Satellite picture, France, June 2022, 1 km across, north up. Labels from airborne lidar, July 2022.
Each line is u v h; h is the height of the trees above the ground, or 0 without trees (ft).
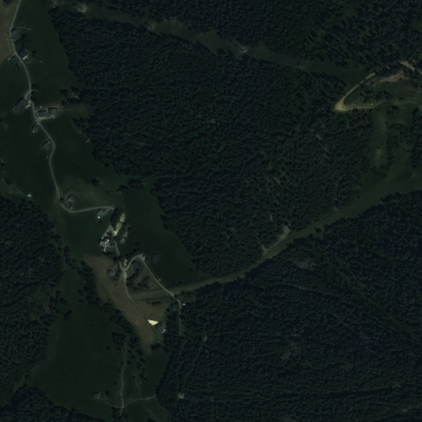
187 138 40
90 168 0
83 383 0
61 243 60
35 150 0
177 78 63
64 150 0
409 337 44
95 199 0
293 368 52
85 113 0
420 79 71
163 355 0
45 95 0
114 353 0
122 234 0
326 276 48
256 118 57
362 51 116
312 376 86
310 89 103
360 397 89
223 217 49
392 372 75
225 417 84
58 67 0
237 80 69
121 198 0
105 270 0
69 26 79
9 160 0
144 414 0
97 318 0
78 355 0
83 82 54
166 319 0
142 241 0
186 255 0
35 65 0
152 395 0
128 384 0
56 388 0
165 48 75
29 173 0
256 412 63
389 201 72
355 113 65
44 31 0
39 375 0
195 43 0
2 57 0
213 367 74
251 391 79
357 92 0
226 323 39
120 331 0
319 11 21
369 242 30
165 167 88
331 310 75
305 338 96
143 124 66
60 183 0
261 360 101
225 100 28
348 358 85
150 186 0
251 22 49
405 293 57
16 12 0
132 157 31
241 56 0
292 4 46
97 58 68
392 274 86
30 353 67
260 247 106
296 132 73
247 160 71
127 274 0
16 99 0
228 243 56
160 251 0
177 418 87
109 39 41
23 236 94
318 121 90
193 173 45
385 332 86
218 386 74
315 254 29
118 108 63
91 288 55
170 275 0
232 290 88
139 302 0
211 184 96
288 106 25
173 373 83
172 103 70
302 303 67
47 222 65
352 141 58
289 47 35
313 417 64
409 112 0
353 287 28
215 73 50
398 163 0
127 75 55
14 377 58
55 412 110
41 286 100
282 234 100
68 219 0
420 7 97
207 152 18
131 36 70
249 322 92
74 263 26
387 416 41
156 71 65
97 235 0
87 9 0
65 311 0
